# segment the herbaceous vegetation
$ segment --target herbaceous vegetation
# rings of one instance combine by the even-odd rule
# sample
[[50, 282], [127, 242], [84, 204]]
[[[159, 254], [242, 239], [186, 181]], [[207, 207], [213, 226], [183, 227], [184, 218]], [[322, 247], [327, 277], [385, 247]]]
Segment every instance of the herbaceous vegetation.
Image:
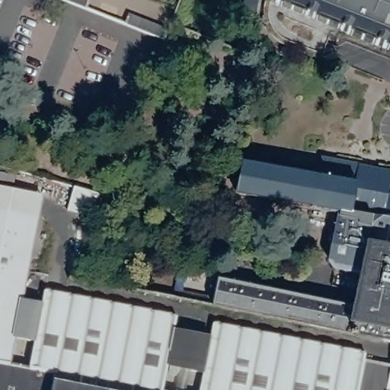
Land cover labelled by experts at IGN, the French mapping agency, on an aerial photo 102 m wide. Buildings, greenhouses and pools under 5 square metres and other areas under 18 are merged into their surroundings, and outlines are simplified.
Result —
[[174, 113], [155, 111], [154, 126], [157, 129], [157, 137], [166, 149], [171, 149], [172, 152], [181, 151], [181, 146], [174, 145], [174, 140], [181, 120], [187, 119], [189, 114], [197, 116], [195, 126], [198, 133], [195, 133], [193, 139], [207, 143], [213, 134], [215, 129], [227, 126], [229, 113], [225, 111], [224, 105], [206, 102], [200, 110], [189, 108], [186, 111], [186, 107], [180, 105], [175, 108]]
[[41, 151], [41, 148], [35, 155], [40, 168], [67, 177], [67, 172], [62, 171], [61, 166], [52, 165], [50, 154]]
[[122, 160], [122, 154], [111, 152], [97, 157], [94, 165], [101, 171], [113, 161]]
[[[338, 93], [335, 88], [331, 91], [324, 90], [324, 79], [329, 78], [337, 67], [341, 67], [338, 53], [334, 58], [321, 59], [317, 66], [314, 59], [309, 59], [303, 64], [289, 64], [288, 69], [277, 72], [276, 75], [288, 93], [282, 107], [283, 122], [273, 136], [264, 136], [262, 128], [248, 126], [247, 133], [254, 143], [250, 143], [244, 149], [242, 157], [312, 171], [324, 151], [349, 154], [350, 148], [355, 145], [355, 136], [350, 133], [349, 128], [353, 119], [360, 119], [364, 108], [364, 93], [367, 90], [366, 84], [353, 81], [347, 90]], [[305, 148], [306, 136], [309, 134], [323, 136], [321, 149], [317, 152], [302, 151]]]
[[201, 0], [206, 12], [198, 15], [193, 23], [189, 24], [186, 37], [169, 40], [161, 52], [163, 56], [174, 58], [175, 53], [183, 53], [186, 47], [215, 41], [212, 24], [219, 6], [229, 8], [232, 3], [244, 2], [244, 0]]
[[206, 84], [209, 84], [210, 79], [219, 81], [225, 79], [227, 84], [233, 82], [232, 105], [235, 110], [245, 105], [239, 93], [247, 88], [248, 82], [256, 76], [256, 69], [253, 66], [242, 66], [239, 62], [245, 52], [251, 50], [251, 41], [235, 38], [230, 44], [233, 47], [233, 55], [225, 58], [218, 56], [206, 69]]
[[257, 323], [283, 326], [294, 331], [332, 335], [356, 343], [382, 343], [382, 338], [370, 337], [361, 331], [361, 328], [347, 331], [346, 315], [331, 312], [324, 315], [320, 321], [294, 315], [279, 318], [262, 314], [261, 317], [256, 317], [245, 314], [244, 309], [236, 309], [235, 312], [224, 311], [216, 308], [213, 303], [215, 292], [206, 285], [204, 289], [187, 288], [184, 285], [186, 279], [178, 277], [174, 280], [171, 274], [163, 274], [158, 277], [157, 282], [148, 282], [148, 289], [125, 289], [114, 286], [110, 289], [111, 292], [151, 302], [165, 303], [166, 300], [174, 300], [186, 308], [200, 309], [206, 314], [229, 315]]
[[385, 120], [390, 117], [390, 96], [384, 97], [376, 104], [372, 116], [373, 137], [379, 137], [379, 126], [384, 125]]

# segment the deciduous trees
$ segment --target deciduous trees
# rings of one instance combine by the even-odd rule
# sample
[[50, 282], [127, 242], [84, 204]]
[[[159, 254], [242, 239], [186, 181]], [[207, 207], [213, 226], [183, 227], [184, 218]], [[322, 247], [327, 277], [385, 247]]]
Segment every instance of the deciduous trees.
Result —
[[165, 38], [169, 40], [186, 37], [189, 24], [193, 23], [198, 15], [206, 12], [201, 0], [180, 0], [175, 9], [174, 20], [169, 21], [165, 27]]
[[50, 18], [55, 21], [56, 26], [66, 21], [67, 14], [73, 8], [59, 0], [53, 0], [52, 8], [38, 12], [43, 20]]
[[[233, 55], [233, 47], [230, 44], [235, 38], [251, 41], [251, 50], [267, 47], [264, 59], [259, 59], [253, 66], [256, 69], [256, 76], [248, 82], [247, 88], [239, 93], [245, 105], [251, 116], [251, 119], [248, 119], [248, 126], [262, 128], [264, 136], [273, 136], [283, 122], [282, 107], [276, 105], [276, 94], [268, 96], [270, 84], [261, 79], [261, 73], [267, 69], [276, 75], [277, 72], [288, 69], [289, 64], [303, 64], [309, 59], [314, 59], [314, 53], [309, 53], [305, 44], [300, 41], [273, 43], [261, 32], [262, 17], [254, 15], [253, 12], [251, 6], [244, 2], [232, 3], [229, 8], [219, 6], [212, 24], [215, 41], [186, 47], [183, 53], [175, 53], [174, 58], [163, 56], [158, 58], [158, 62], [143, 62], [137, 69], [136, 84], [140, 87], [140, 101], [137, 102], [136, 110], [131, 116], [126, 116], [126, 120], [113, 120], [108, 111], [94, 111], [88, 116], [85, 125], [87, 128], [75, 129], [72, 133], [64, 133], [56, 139], [50, 134], [55, 122], [44, 122], [43, 119], [29, 117], [27, 120], [18, 120], [15, 125], [9, 125], [8, 120], [0, 117], [0, 172], [17, 174], [18, 171], [32, 174], [40, 168], [35, 155], [41, 148], [41, 151], [50, 154], [52, 165], [61, 166], [62, 171], [67, 172], [67, 177], [90, 183], [93, 186], [91, 190], [96, 190], [99, 197], [79, 198], [78, 212], [78, 218], [82, 221], [79, 225], [82, 232], [81, 241], [87, 242], [90, 251], [87, 256], [81, 254], [78, 261], [73, 262], [69, 285], [82, 286], [91, 291], [111, 292], [110, 289], [114, 286], [125, 289], [148, 289], [148, 282], [157, 282], [158, 277], [163, 274], [171, 274], [174, 280], [178, 277], [186, 279], [206, 274], [207, 279], [218, 271], [216, 259], [230, 250], [241, 256], [244, 262], [241, 267], [253, 270], [262, 279], [283, 277], [291, 282], [308, 280], [314, 270], [306, 265], [306, 259], [303, 259], [300, 253], [292, 251], [289, 259], [280, 262], [262, 264], [261, 261], [256, 261], [253, 251], [257, 248], [254, 242], [250, 242], [250, 236], [245, 235], [245, 230], [239, 227], [236, 230], [232, 229], [232, 219], [238, 215], [233, 203], [238, 195], [236, 189], [241, 172], [238, 169], [242, 157], [244, 149], [236, 142], [225, 142], [213, 134], [207, 143], [193, 139], [193, 146], [189, 149], [189, 163], [180, 166], [175, 174], [171, 169], [160, 168], [160, 157], [165, 155], [166, 149], [157, 137], [157, 129], [154, 126], [155, 111], [174, 113], [175, 108], [180, 105], [186, 107], [186, 111], [189, 108], [200, 110], [206, 102], [206, 90], [212, 90], [219, 81], [210, 79], [209, 84], [206, 84], [206, 69], [218, 56], [225, 58]], [[113, 161], [101, 171], [94, 165], [97, 157], [111, 152], [122, 154], [122, 160]]]

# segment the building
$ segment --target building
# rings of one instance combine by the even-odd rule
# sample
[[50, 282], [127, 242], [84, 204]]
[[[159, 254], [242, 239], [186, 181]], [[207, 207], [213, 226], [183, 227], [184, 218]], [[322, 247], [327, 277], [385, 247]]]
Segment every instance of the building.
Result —
[[96, 190], [91, 190], [75, 186], [70, 198], [69, 212], [78, 212], [79, 198], [99, 197]]
[[378, 47], [378, 50], [390, 47], [390, 0], [282, 0], [297, 8], [311, 9], [320, 17], [338, 23], [343, 34], [350, 35], [355, 30], [356, 34], [361, 35], [361, 40], [366, 40], [366, 37], [372, 38], [373, 46]]
[[148, 37], [165, 38], [165, 27], [169, 21], [174, 20], [175, 9], [180, 0], [59, 0], [73, 8], [90, 12]]
[[6, 186], [8, 181], [17, 180], [17, 174], [0, 172], [0, 390], [390, 390], [390, 363], [367, 360], [366, 352], [352, 347], [320, 343], [219, 321], [212, 324], [210, 332], [178, 328], [178, 317], [171, 312], [70, 294], [56, 289], [44, 289], [41, 300], [26, 299], [24, 292], [29, 286], [27, 274], [30, 270], [41, 213], [43, 193]]
[[244, 0], [244, 2], [251, 6], [253, 12], [261, 11], [262, 0]]
[[312, 171], [242, 157], [238, 169], [241, 172], [236, 189], [238, 195], [280, 195], [282, 198], [296, 201], [299, 207], [302, 207], [318, 206], [326, 209], [328, 213], [338, 213], [329, 261], [334, 270], [340, 270], [341, 282], [349, 283], [352, 291], [344, 292], [340, 300], [334, 300], [232, 277], [218, 277], [215, 292], [213, 303], [216, 308], [224, 311], [235, 312], [236, 309], [244, 309], [245, 314], [256, 317], [261, 317], [262, 314], [279, 318], [294, 315], [320, 321], [324, 315], [331, 312], [346, 315], [347, 331], [361, 328], [361, 331], [370, 337], [382, 338], [390, 340], [390, 160], [375, 161], [349, 154], [324, 151]]

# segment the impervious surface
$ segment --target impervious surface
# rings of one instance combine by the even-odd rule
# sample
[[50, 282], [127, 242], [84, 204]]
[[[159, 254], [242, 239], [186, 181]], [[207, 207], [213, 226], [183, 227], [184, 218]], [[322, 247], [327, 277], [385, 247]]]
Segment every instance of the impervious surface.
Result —
[[268, 219], [268, 215], [277, 218], [282, 215], [285, 207], [297, 210], [299, 207], [296, 201], [282, 198], [280, 195], [238, 195], [233, 203], [238, 215], [244, 215], [248, 210], [251, 218], [257, 221], [259, 218]]
[[308, 280], [291, 282], [283, 277], [262, 279], [253, 270], [241, 267], [227, 273], [218, 271], [207, 279], [206, 274], [186, 279], [184, 285], [187, 288], [204, 289], [206, 285], [215, 292], [218, 277], [232, 277], [334, 300], [340, 300], [344, 292], [352, 291], [349, 283], [341, 282], [340, 270], [334, 270], [329, 261], [338, 213], [328, 213], [326, 209], [318, 206], [302, 207], [305, 224], [312, 229], [309, 236], [302, 236], [297, 241], [291, 248], [292, 251], [300, 253], [308, 248], [324, 251], [321, 254], [323, 267], [314, 270]]
[[73, 262], [78, 261], [81, 254], [87, 256], [90, 251], [87, 242], [81, 241], [82, 232], [79, 225], [82, 221], [78, 218], [78, 212], [69, 212], [70, 198], [75, 186], [32, 174], [18, 171], [17, 174], [17, 180], [8, 181], [6, 186], [43, 193], [41, 213], [50, 218], [53, 229], [58, 233], [58, 250], [55, 264], [50, 267], [49, 273], [30, 270], [27, 274], [29, 286], [24, 292], [26, 299], [41, 300], [44, 289], [56, 289], [70, 294], [171, 312], [178, 317], [178, 328], [210, 332], [212, 324], [219, 321], [320, 343], [352, 347], [366, 352], [367, 360], [390, 363], [390, 340], [382, 338], [382, 343], [356, 343], [332, 335], [294, 331], [283, 326], [257, 323], [229, 315], [206, 314], [200, 309], [186, 308], [174, 300], [166, 300], [165, 303], [151, 302], [111, 292], [91, 291], [82, 286], [69, 285]]
[[20, 67], [24, 82], [40, 85], [43, 93], [41, 104], [29, 117], [43, 119], [44, 122], [55, 122], [55, 119], [64, 114], [72, 114], [76, 119], [73, 123], [75, 129], [87, 128], [85, 125], [88, 116], [94, 111], [108, 111], [113, 120], [126, 120], [126, 116], [131, 116], [136, 110], [137, 102], [140, 101], [140, 87], [136, 84], [137, 69], [143, 62], [158, 62], [158, 58], [163, 56], [161, 52], [169, 40], [165, 38], [148, 37], [90, 12], [73, 8], [67, 14], [66, 21], [56, 26], [55, 21], [50, 18], [43, 20], [38, 12], [52, 8], [53, 0], [0, 0], [0, 56]]
[[355, 136], [355, 145], [350, 148], [349, 154], [375, 161], [390, 160], [390, 117], [385, 120], [384, 125], [379, 126], [379, 137], [373, 137], [372, 116], [376, 104], [384, 97], [390, 96], [390, 47], [378, 50], [378, 47], [373, 46], [372, 38], [366, 37], [366, 40], [361, 40], [361, 35], [356, 34], [355, 30], [350, 35], [343, 34], [338, 23], [320, 17], [311, 9], [297, 8], [282, 0], [262, 0], [261, 11], [253, 12], [254, 15], [262, 17], [261, 32], [273, 43], [300, 41], [305, 44], [309, 53], [314, 53], [314, 59], [317, 66], [321, 59], [334, 58], [338, 53], [341, 67], [346, 81], [353, 81], [366, 84], [367, 90], [364, 93], [364, 108], [360, 119], [353, 119], [349, 128], [350, 133]]

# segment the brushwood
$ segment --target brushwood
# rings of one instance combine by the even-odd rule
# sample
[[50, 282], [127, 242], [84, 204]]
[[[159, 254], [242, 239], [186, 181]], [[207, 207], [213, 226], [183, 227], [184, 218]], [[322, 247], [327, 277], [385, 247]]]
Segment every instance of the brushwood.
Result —
[[67, 177], [40, 168], [32, 174], [75, 186], [91, 190], [93, 186], [90, 183]]
[[323, 136], [309, 134], [306, 136], [305, 148], [302, 151], [317, 152], [321, 149]]
[[50, 218], [41, 213], [30, 270], [49, 273], [50, 267], [55, 264], [58, 250], [58, 233], [53, 229]]

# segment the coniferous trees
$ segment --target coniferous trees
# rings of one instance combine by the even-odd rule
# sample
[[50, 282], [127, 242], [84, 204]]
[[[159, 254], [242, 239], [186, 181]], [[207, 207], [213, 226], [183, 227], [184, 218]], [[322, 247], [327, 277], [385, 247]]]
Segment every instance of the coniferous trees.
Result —
[[232, 219], [232, 229], [236, 230], [239, 227], [245, 230], [245, 235], [250, 236], [250, 242], [254, 242], [257, 248], [253, 251], [256, 261], [261, 261], [262, 264], [280, 262], [289, 259], [292, 251], [291, 248], [297, 241], [302, 236], [309, 236], [312, 229], [305, 224], [302, 207], [299, 207], [297, 210], [285, 207], [282, 215], [277, 218], [268, 215], [268, 219], [259, 218], [257, 221], [251, 218], [248, 210], [244, 215], [238, 215]]
[[218, 271], [227, 273], [241, 267], [244, 262], [241, 256], [230, 250], [216, 259]]
[[64, 133], [72, 133], [75, 129], [73, 123], [76, 119], [72, 114], [64, 114], [55, 119], [55, 122], [50, 134], [56, 139]]
[[9, 125], [15, 125], [18, 120], [27, 120], [29, 117], [41, 104], [43, 93], [40, 85], [24, 82], [20, 67], [0, 56], [0, 117], [8, 120]]
[[251, 50], [245, 52], [239, 62], [242, 66], [253, 66], [259, 59], [264, 59], [267, 47]]
[[308, 248], [300, 253], [303, 259], [306, 259], [306, 265], [314, 270], [323, 267], [321, 254], [324, 251]]
[[282, 107], [288, 93], [276, 75], [267, 69], [261, 73], [261, 79], [270, 84], [268, 96], [276, 94], [276, 105]]
[[224, 105], [225, 111], [229, 113], [227, 126], [215, 129], [213, 134], [225, 142], [236, 142], [244, 149], [250, 143], [254, 143], [247, 133], [248, 126], [248, 119], [251, 119], [251, 116], [245, 105], [235, 110], [232, 105], [233, 82], [227, 84], [225, 79], [219, 81], [212, 90], [206, 90], [206, 102]]
[[189, 149], [193, 146], [193, 139], [195, 133], [198, 133], [195, 126], [197, 116], [189, 114], [187, 119], [181, 120], [174, 140], [174, 145], [181, 146], [181, 151], [172, 152], [171, 149], [166, 149], [165, 155], [160, 157], [160, 168], [171, 169], [175, 174], [180, 166], [189, 163]]
[[324, 90], [331, 91], [335, 88], [338, 93], [347, 90], [353, 81], [346, 81], [341, 67], [337, 67], [329, 78], [324, 79]]

